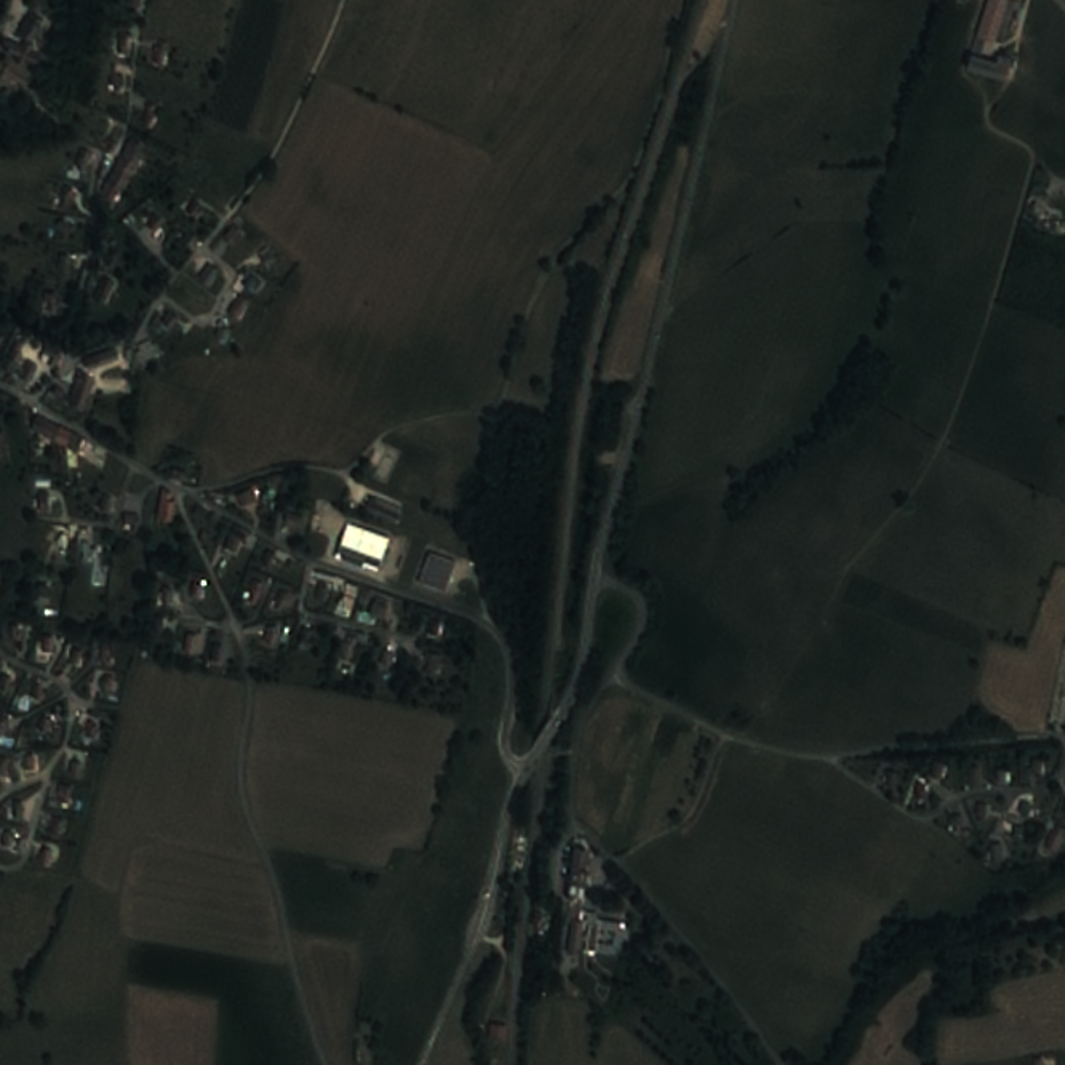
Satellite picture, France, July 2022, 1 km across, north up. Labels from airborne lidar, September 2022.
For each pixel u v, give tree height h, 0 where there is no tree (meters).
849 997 0
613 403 11
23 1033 0
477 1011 13
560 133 0
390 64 0
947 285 0
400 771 0
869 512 0
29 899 0
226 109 0
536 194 0
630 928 15
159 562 18
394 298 0
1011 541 0
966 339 0
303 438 0
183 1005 0
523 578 7
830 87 0
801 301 0
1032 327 0
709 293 0
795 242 0
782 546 0
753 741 0
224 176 0
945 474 0
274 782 0
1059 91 0
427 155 0
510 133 0
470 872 0
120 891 0
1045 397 0
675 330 0
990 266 0
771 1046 0
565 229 0
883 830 0
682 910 0
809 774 0
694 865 0
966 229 0
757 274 0
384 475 0
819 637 0
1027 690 0
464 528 17
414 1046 0
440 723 0
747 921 0
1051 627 0
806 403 0
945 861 0
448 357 0
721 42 0
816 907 0
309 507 11
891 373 18
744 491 16
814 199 0
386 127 0
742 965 0
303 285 0
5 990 0
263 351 0
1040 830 11
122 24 6
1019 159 0
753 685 0
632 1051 0
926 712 0
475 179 0
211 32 0
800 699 0
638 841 0
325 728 0
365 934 0
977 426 0
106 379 0
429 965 0
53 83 19
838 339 0
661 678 0
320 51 0
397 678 8
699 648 0
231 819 0
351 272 0
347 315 0
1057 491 0
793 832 0
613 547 12
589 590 0
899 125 9
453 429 0
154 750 0
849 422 17
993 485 0
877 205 14
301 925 0
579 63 0
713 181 0
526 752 0
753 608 0
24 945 0
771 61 0
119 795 0
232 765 0
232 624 0
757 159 0
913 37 0
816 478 0
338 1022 0
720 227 0
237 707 0
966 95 0
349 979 0
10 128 23
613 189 0
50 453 11
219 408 0
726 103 0
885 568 0
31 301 11
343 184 0
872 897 0
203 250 0
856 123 0
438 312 0
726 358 0
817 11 0
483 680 0
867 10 0
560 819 14
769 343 0
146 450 0
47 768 0
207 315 0
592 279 20
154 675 0
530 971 13
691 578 0
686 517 0
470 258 0
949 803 0
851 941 0
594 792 0
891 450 0
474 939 0
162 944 0
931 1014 22
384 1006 0
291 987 0
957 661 0
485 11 0
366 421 0
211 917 0
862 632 0
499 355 0
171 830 0
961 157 0
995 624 0
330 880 0
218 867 0
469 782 0
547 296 0
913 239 0
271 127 0
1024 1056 0
